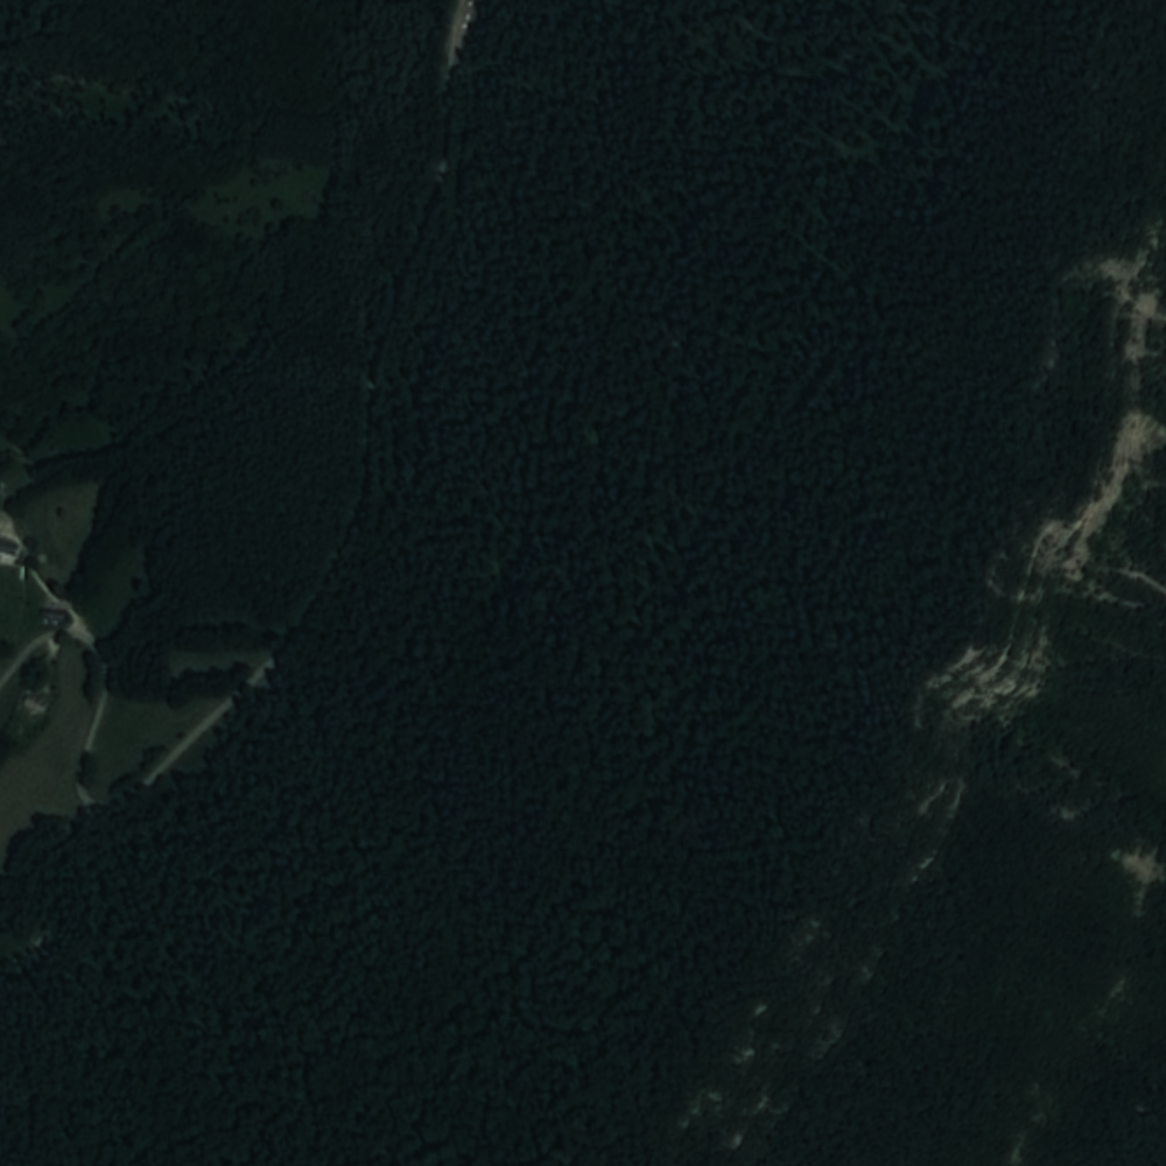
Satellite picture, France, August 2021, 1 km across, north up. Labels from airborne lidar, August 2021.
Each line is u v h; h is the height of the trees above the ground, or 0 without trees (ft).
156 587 39
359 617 86
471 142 89
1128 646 36
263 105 81
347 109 67
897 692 33
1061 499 57
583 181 77
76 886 81
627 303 77
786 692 59
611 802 90
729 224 90
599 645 75
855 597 45
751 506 70
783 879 79
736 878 58
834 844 40
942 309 68
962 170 67
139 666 71
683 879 75
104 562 79
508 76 67
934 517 50
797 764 66
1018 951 50
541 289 98
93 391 33
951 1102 89
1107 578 49
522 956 64
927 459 47
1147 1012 45
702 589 30
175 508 59
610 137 90
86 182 73
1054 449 57
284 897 67
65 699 0
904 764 29
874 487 64
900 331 61
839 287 64
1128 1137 90
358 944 60
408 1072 77
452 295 85
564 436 92
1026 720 92
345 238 99
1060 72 67
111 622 0
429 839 84
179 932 72
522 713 83
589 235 91
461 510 54
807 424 93
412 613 68
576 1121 68
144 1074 75
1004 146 66
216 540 68
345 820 69
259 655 0
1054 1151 46
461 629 76
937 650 35
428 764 67
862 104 89
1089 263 25
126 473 65
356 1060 81
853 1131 83
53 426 59
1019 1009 55
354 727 69
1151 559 41
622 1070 68
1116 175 70
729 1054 46
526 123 77
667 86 69
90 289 37
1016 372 36
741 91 63
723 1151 37
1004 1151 37
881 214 96
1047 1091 39
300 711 79
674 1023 64
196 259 27
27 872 71
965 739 85
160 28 93
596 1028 58
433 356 78
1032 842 55
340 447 88
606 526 70
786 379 61
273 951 93
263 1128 73
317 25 95
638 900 85
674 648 96
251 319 26
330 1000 72
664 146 81
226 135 73
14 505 39
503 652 101
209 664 0
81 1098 61
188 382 21
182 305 76
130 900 74
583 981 74
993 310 52
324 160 53
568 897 73
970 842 68
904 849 51
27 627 0
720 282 71
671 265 21
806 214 77
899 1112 76
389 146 104
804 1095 75
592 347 71
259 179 19
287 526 89
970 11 82
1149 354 31
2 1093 87
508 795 75
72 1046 82
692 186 75
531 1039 80
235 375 90
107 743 0
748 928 49
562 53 81
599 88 37
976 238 75
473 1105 81
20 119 82
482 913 91
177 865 77
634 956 77
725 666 73
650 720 47
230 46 76
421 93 81
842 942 26
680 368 93
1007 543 27
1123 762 61
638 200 79
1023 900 42
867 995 65
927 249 94
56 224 58
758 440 69
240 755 38
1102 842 45
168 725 0
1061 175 43
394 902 98
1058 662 33
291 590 62
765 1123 21
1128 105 52
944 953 60
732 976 55
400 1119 80
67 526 0
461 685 73
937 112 68
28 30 63
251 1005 78
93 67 89
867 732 77
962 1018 64
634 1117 79
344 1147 75
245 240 44
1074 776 51
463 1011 61
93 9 76
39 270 52
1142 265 77
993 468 48
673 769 17
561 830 89
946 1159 64
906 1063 78
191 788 84
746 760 69
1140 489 45
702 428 90
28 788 0
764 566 99
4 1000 58
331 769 78
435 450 91
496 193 67
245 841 77
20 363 50
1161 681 50
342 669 69
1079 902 43
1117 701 30
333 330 87
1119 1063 83
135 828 79
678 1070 47
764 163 22
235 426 77
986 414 44
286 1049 57
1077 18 48
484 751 74
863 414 80
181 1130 97
